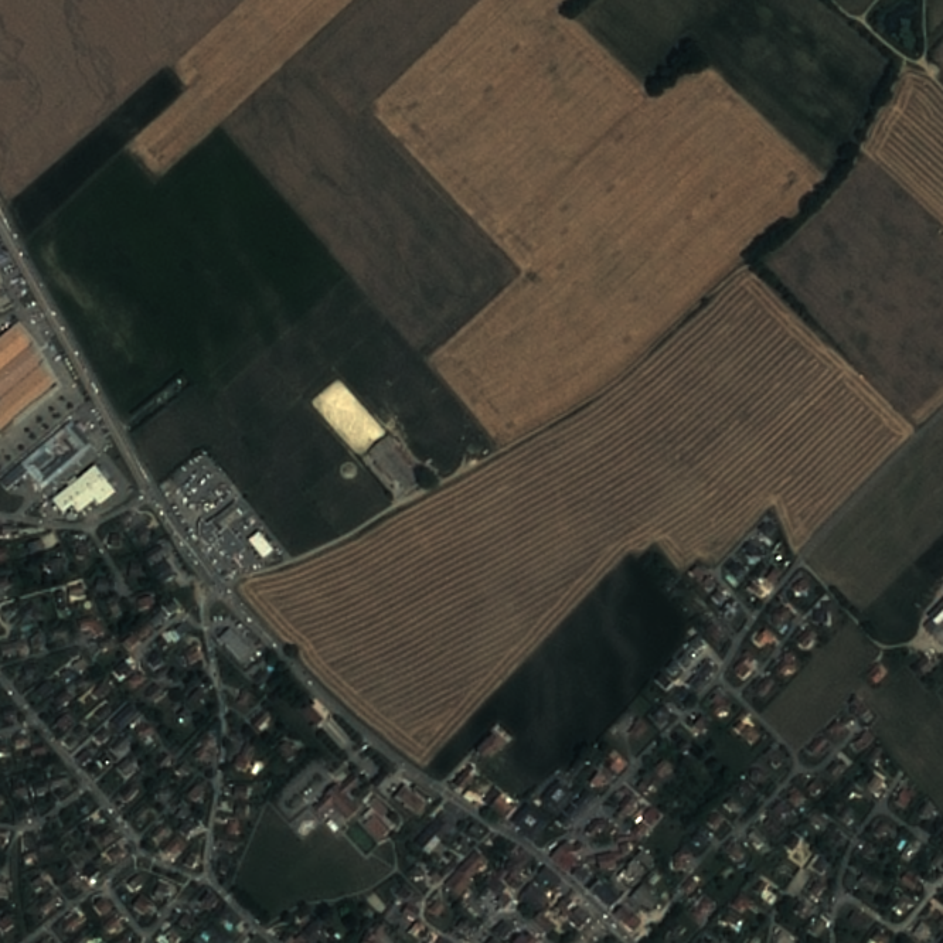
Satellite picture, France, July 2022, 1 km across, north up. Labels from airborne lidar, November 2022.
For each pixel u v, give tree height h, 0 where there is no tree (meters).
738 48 0
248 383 0
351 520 0
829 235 0
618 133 0
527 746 0
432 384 0
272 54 0
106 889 0
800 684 0
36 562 16
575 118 0
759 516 0
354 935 6
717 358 0
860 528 0
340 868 0
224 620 0
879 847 6
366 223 0
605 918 0
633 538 0
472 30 0
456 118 0
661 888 0
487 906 0
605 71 0
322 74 0
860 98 0
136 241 0
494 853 11
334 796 0
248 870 0
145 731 0
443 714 0
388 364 0
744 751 0
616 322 0
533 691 0
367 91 0
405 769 0
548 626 0
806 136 0
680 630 0
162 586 8
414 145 0
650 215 0
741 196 0
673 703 0
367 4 0
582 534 0
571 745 0
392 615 0
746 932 5
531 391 0
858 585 0
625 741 0
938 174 0
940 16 0
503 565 0
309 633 0
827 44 0
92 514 0
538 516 0
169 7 0
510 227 0
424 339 0
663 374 0
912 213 0
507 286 0
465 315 0
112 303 0
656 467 0
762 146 0
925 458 0
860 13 0
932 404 0
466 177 0
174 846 0
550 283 0
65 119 0
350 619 0
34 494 0
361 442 0
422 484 21
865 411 0
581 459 0
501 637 0
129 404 0
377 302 0
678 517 0
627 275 0
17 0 0
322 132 0
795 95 0
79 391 0
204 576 0
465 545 0
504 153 0
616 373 0
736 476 0
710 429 0
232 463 0
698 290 0
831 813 7
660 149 0
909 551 0
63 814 9
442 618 0
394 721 0
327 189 0
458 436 0
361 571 0
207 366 0
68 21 0
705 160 0
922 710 0
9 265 0
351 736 8
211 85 0
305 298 0
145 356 0
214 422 0
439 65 0
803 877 0
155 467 0
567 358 0
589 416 0
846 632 0
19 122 0
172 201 0
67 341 0
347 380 0
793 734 0
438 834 0
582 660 0
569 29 0
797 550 0
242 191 0
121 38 0
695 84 0
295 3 0
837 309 0
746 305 0
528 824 0
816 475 0
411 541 0
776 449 0
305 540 0
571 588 0
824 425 0
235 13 0
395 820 10
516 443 0
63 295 0
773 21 0
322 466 0
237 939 0
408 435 0
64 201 0
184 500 0
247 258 0
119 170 0
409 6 0
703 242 0
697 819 11
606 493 0
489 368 0
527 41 0
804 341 0
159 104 0
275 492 0
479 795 0
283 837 0
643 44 0
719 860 7
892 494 0
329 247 0
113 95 0
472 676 0
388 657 0
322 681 0
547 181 0
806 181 0
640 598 0
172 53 0
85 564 0
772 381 0
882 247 0
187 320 0
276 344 0
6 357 0
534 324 0
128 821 7
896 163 0
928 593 0
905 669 0
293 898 0
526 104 0
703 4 0
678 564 0
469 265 0
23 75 0
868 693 0
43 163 0
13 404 0
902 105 0
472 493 0
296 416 0
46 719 15
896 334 0
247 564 0
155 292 0
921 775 0
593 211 0
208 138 0
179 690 10
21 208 0
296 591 0
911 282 0
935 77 0
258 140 0
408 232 0
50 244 0
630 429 0
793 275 0
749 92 0
